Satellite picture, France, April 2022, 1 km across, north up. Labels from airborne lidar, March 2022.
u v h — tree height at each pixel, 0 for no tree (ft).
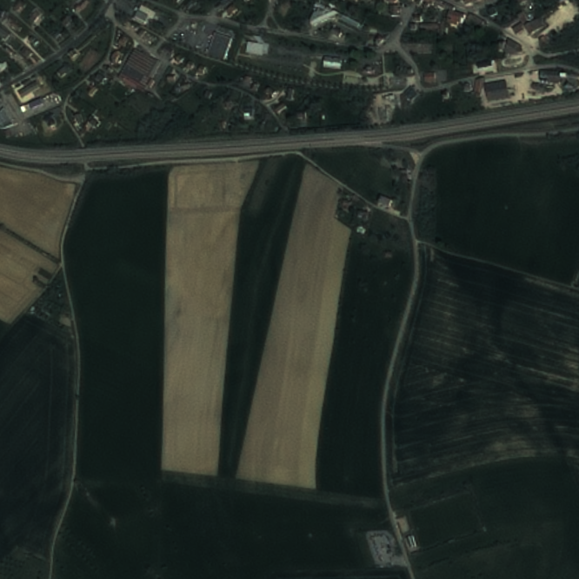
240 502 0
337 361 0
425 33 48
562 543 0
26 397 0
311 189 0
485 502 0
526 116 0
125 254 0
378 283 0
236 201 0
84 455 0
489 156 0
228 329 0
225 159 0
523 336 0
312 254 0
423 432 0
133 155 0
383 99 0
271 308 0
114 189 0
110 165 0
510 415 0
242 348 0
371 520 0
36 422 0
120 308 0
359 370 0
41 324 0
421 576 0
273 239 0
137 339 0
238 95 0
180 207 0
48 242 0
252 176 0
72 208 0
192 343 0
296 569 0
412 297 0
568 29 21
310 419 0
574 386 0
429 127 0
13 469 0
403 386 0
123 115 0
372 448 0
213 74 0
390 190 0
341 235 0
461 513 0
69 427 0
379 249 0
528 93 0
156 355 0
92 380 0
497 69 0
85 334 0
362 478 0
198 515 0
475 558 0
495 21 26
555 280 0
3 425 0
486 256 0
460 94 0
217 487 0
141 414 0
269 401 0
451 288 0
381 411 0
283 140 0
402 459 0
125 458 0
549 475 0
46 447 0
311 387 0
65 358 0
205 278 0
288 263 0
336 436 0
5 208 0
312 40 0
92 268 0
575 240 0
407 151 0
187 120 30
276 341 0
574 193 0
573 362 0
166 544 0
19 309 0
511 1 27
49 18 0
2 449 0
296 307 0
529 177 0
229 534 0
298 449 0
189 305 0
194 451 0
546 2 38
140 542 0
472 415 0
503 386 0
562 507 0
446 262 0
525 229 0
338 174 0
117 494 0
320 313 0
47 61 0
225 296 0
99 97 0
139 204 0
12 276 0
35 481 0
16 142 0
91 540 0
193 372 0
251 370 0
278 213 0
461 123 0
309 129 22
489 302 0
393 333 0
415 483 0
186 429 0
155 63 0
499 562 0
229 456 0
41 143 0
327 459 0
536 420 0
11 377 0
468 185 0
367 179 0
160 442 0
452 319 0
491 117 0
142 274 0
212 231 0
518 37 0
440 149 0
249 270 0
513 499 0
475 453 0
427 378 0
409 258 0
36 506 0
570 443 0
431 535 0
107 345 0
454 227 0
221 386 0
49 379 0
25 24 0
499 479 0
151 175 0
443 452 0
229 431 0
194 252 0
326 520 0
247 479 0
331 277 0
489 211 0
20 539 0
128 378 0
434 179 53
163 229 0
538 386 0
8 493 0
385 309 0
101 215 0
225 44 0
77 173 0
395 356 0
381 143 0
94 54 0
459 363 0
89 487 0
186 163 0
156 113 48
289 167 0
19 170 0
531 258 0
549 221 0
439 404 0
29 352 0
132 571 0
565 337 0
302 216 0
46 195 0
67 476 0
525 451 0
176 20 0
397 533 0
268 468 0
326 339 0
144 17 0
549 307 0
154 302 0
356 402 0
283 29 0
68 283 0
